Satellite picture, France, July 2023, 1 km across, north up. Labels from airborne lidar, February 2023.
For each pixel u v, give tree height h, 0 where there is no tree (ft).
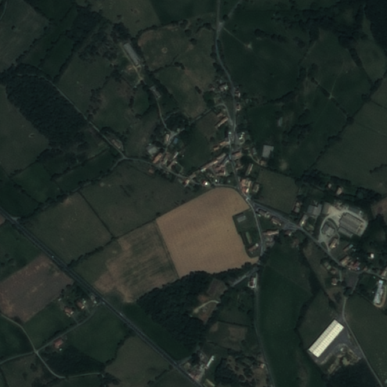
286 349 0
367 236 23
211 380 0
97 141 0
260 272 38
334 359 0
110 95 0
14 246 0
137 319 0
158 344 0
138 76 0
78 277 0
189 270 0
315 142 0
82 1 0
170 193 0
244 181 0
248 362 0
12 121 0
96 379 0
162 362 0
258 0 0
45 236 0
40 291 0
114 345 0
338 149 0
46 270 0
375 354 0
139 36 22
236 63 0
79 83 0
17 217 0
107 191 0
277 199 0
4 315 0
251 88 0
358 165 0
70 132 24
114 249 0
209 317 0
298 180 26
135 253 0
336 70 0
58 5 0
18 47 0
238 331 0
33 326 0
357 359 0
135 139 0
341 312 0
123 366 0
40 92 25
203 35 0
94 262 0
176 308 62
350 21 0
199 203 0
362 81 0
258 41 0
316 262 0
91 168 0
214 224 0
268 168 20
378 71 0
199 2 0
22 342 0
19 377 0
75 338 0
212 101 22
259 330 0
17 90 33
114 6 0
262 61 0
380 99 0
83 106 0
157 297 45
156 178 0
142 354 0
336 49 0
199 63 0
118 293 0
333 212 0
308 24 50
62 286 0
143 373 0
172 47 0
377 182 0
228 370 52
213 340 0
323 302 0
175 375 0
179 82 0
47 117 37
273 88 0
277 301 0
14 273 0
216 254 0
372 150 0
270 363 0
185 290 57
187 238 0
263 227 0
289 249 0
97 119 0
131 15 0
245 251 0
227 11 0
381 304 0
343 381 34
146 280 0
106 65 0
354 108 0
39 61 0
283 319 0
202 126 0
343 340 0
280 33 0
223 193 0
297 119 0
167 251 0
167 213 0
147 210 0
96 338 0
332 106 0
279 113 30
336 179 45
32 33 0
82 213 0
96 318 0
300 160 0
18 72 40
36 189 0
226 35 0
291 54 0
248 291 40
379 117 0
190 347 22
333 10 33
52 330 0
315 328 0
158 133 34
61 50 0
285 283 0
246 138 0
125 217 0
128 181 0
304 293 0
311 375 0
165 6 0
